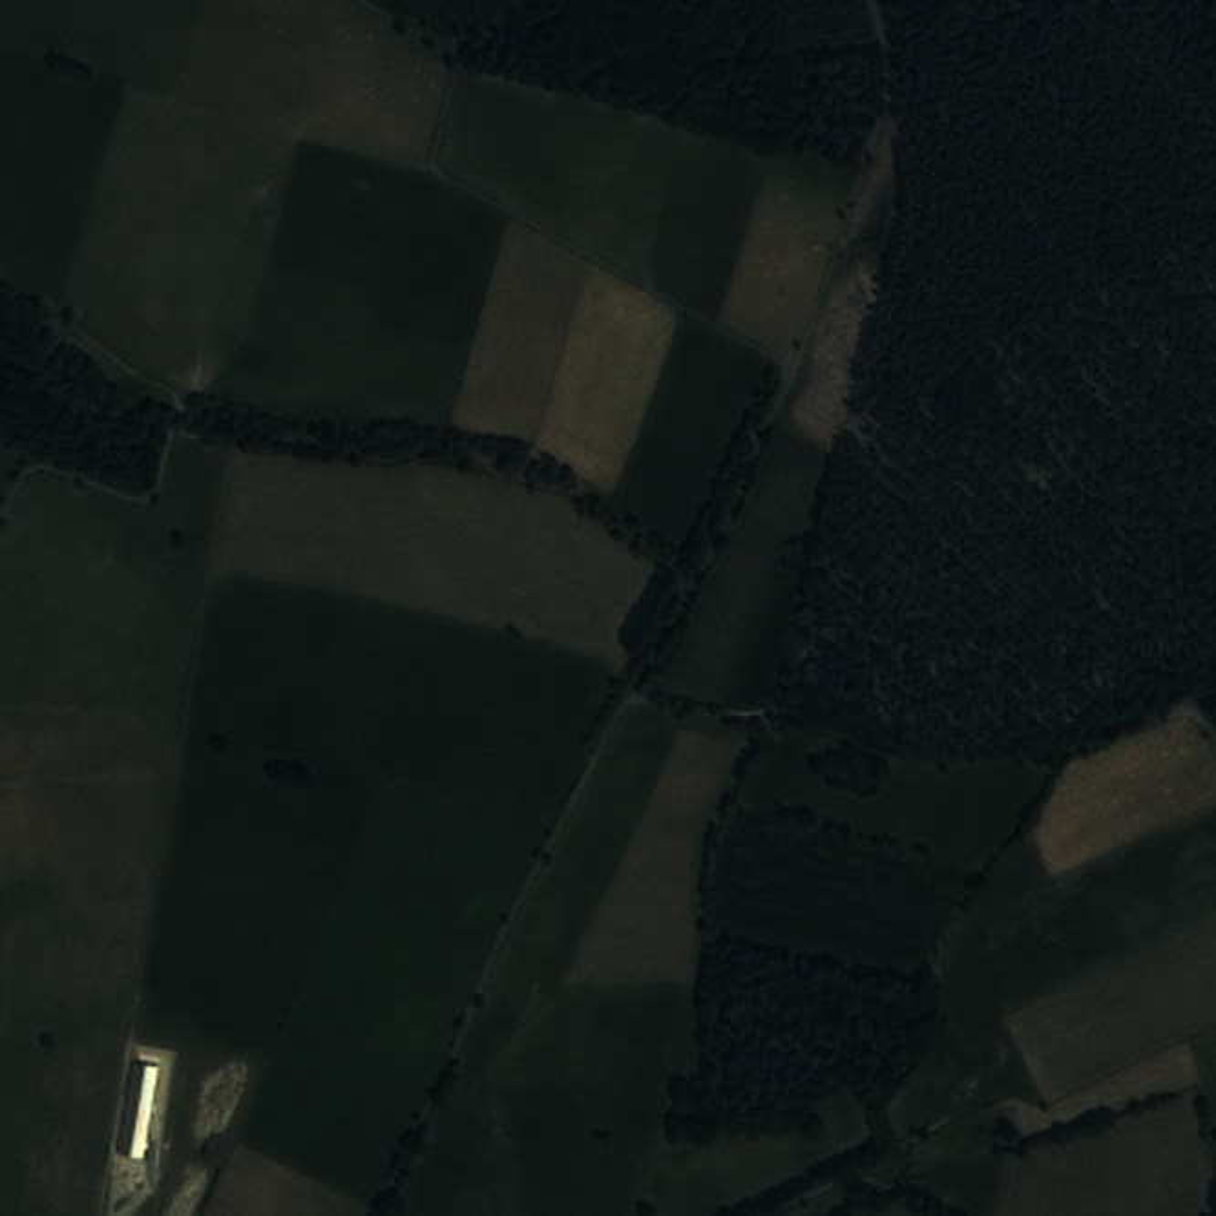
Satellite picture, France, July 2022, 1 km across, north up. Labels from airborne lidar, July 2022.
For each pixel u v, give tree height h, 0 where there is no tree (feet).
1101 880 0
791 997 72
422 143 0
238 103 0
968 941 0
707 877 49
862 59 67
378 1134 0
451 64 53
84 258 0
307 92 0
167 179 0
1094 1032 0
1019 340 55
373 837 0
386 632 0
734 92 96
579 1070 0
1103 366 53
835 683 78
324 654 0
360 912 0
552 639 0
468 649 0
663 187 0
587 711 0
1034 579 52
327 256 0
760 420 30
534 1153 0
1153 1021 0
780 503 0
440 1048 0
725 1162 0
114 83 0
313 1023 0
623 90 73
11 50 0
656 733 0
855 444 59
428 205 0
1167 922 0
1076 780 0
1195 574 71
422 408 0
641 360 0
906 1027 75
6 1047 0
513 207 0
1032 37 69
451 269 0
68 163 0
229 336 0
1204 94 49
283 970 0
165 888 0
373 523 0
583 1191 0
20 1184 0
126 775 0
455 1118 0
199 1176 0
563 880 0
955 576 55
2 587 0
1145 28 46
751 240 0
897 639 60
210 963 0
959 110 68
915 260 74
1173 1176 0
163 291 0
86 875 0
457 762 0
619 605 0
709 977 71
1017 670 67
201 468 0
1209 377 56
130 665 0
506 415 0
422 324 0
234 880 0
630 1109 0
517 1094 0
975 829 0
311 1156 0
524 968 0
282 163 0
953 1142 0
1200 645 70
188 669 0
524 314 0
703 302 0
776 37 109
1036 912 0
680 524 0
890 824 0
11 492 0
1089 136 67
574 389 0
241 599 0
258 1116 0
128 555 0
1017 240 63
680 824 0
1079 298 74
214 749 50
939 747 56
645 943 0
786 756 0
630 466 0
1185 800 0
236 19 0
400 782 0
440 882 0
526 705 0
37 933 0
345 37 0
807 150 44
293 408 0
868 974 80
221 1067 0
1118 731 79
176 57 0
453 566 0
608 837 0
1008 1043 0
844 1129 0
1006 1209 0
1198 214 73
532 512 0
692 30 95
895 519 51
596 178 0
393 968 0
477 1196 0
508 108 0
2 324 74
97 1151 0
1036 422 50
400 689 0
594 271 0
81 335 0
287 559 0
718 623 0
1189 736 0
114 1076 0
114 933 0
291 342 0
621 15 88
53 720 0
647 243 0
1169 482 55
